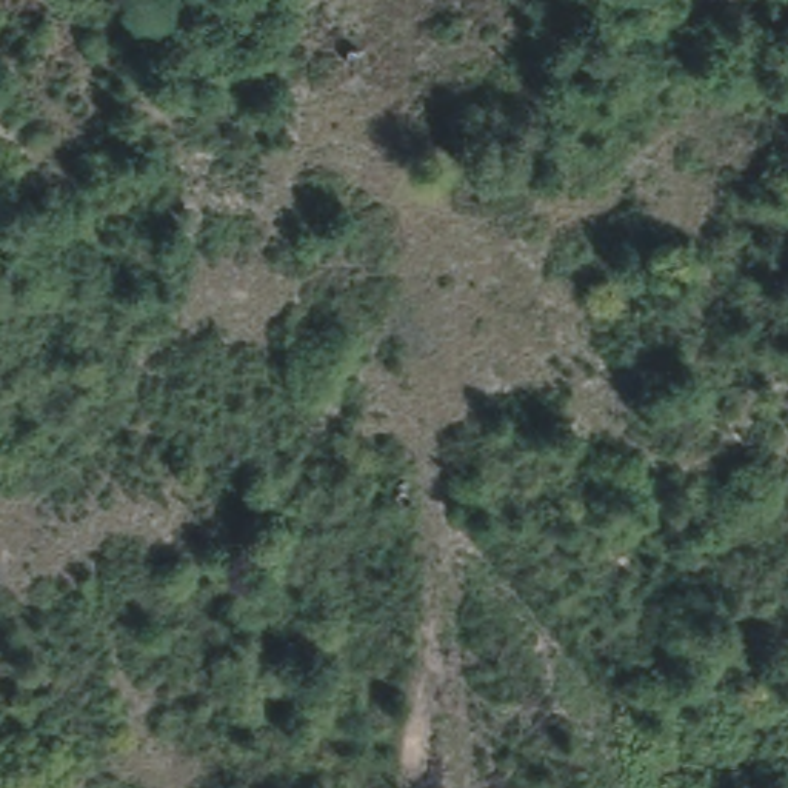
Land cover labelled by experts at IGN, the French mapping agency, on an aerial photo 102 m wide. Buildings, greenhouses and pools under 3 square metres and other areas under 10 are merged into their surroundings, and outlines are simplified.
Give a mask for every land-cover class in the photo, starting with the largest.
<instances>
[{"label":"brushwood","instance_id":"1","mask_svg":"<svg viewBox=\"0 0 788 788\"><path fill-rule=\"evenodd\" d=\"M126 6L120 0H0V237H6V231L15 222L40 215L49 197L86 188L89 175L95 172L148 169L151 151H157L154 139L126 142V120L135 114L139 102L163 89V71L172 68L185 52L169 37L129 34L123 28ZM514 34L502 58L508 65H517L520 89H514L511 95L526 108L520 111V117H505L496 108H474L471 114L459 111L452 117V126L434 135L425 148L428 157L446 151L452 160L446 166H437V172L422 185L419 200L449 197L459 175L477 179V194L489 200L526 197L542 206L576 200L585 197L594 185H603L634 154L637 145H646L649 135H656L668 123L680 126L690 114L708 111L711 105L745 108L751 114L742 132L754 142V154L748 157L745 169H720V179L714 185V206L699 231H686V246L671 249L656 262L649 255H628L622 271L609 283L591 289L594 320L603 323L588 336V342L606 360V372L631 366L643 348L668 345L690 366V379L683 385L696 379H717L726 385L717 394L711 422H680L659 428L649 419L653 406L631 409L625 431L619 437L569 434V440L542 449L529 437H520L514 425H502L499 434H493L483 446L480 477L452 483L456 508L446 514V520L465 529L474 539L477 551L468 557V563H452V569L465 579L462 600L456 609V625L443 628L437 637L440 659L459 656L462 662V677L468 683V723L480 739L471 751L480 788H628V766L637 757L646 766L659 770L677 766L680 760L677 748H656L659 717L668 711L677 690L653 683L609 690L616 671L653 665V649H668L677 640H742L745 619H773L779 609L788 613V502L776 523L779 533L770 542H739L723 554H708L693 569L680 566V545L699 542L705 533H711L720 511L730 502L757 499L770 483H788V0H514V6L508 9ZM693 486L705 489V511L699 514V520L686 523L683 529H674L677 499L686 496ZM296 185L332 191L342 203L339 225L357 222L360 243L320 259L314 268L302 262L299 246L280 252L271 268L299 280L302 302H286L268 320L265 345H231L222 339V329L212 320H203L191 332L182 326V308L172 311V317L151 314L145 320H135L129 308L135 299L123 302L108 292L99 305L83 311L28 317L22 308L25 292H12L9 283L0 280V496L12 502L49 499L52 514L58 520L83 523L86 496L95 499L102 508H111L114 493L123 489L132 502L151 499L163 508V483L169 477H179L185 483V523H200L215 514L222 493L231 489V474L249 459H255L262 480L249 489L246 502L271 514L274 533L302 536L299 573L283 585V597L277 606L259 609L246 606L243 600H234L231 594H215L209 603L203 600L191 616L163 613L160 606L169 600L163 594L166 582L160 576H151L148 569V539L111 533L99 542L95 551L83 554L77 563H68L58 576L31 579L28 606L15 600L9 588L0 585V788H145L111 773L114 760L135 751V733L126 730L129 705L108 683L111 671H126L132 686L154 690V705L145 714L151 736H157L166 745L175 742L182 757H197L206 770V776H200L188 788H440L425 773L416 776L400 763L403 730L409 717L406 690L419 665L416 631L425 622V557L412 545L425 520L431 483H425L422 471H416V459L403 452V443L394 434L366 437L354 428L366 397V388L360 385L357 372H363L369 363H382L388 372H394L400 366L403 351L397 336H385L382 323L388 299L397 289V212L369 200V191L348 185L342 172L311 166L299 172ZM317 649L332 656L329 668L345 671V686L336 696L339 720L332 736L323 739L305 757V766H299L292 760L289 742L296 733L308 726L305 702L289 699L274 674L289 671L292 677H308L314 671ZM179 231L185 237H194L197 255H203L209 265H215V259H234L237 265L262 262L271 237L262 234L252 212L188 209Z\"/></svg>","mask_w":788,"mask_h":788},{"label":"herbaceous vegetation","instance_id":"2","mask_svg":"<svg viewBox=\"0 0 788 788\"><path fill-rule=\"evenodd\" d=\"M514 6V0H292L296 22L305 28L302 40L292 46L296 68L280 71V80L289 86L296 99V111L283 126L292 142L289 148L262 157L265 179L259 200H246L225 179V172L209 163V151H175V166L185 169L182 175L188 182L182 191V203L188 209L252 212L262 234L271 237L262 262L237 265L234 259H215V265H209L203 255H197V268L182 308V326L191 332L203 320H212L222 329V339L231 345H265L268 320L286 302H302L299 280L271 268L280 252L299 246L302 240L329 234L339 225L342 203L332 191L296 185L299 172L311 166L342 172L348 185L369 191V200L397 212V289L388 299L382 323L385 336H397L403 351L400 366L394 372H388L382 363H369L363 372H357L360 385L366 388V397L354 428L366 437L394 434L403 443V452L416 459V471H422L425 483H431L425 520L412 545L425 557V622L416 631L419 665L406 690L409 717L403 730L400 763L416 776L425 773L440 788H480L471 751L480 739L468 723V683L462 677V662L459 656L440 659L437 637L443 628L456 625V609L462 600L465 579L452 569V563H468V557L477 551L474 539L465 529L446 520V514L456 508L452 483L480 477L483 446L493 434H499L502 425H514L520 437H529L542 449L569 440V434L619 437L625 431L631 409L653 406L683 385L690 379V366L668 345L643 348L631 366L606 372V360L588 342V336L603 323L594 320L591 289L609 283L622 271L628 255H649L656 262L671 249L686 246V231H699L714 206V185L720 179V169H745L748 157L754 154V142L742 132L751 114L745 108L711 105L708 111L690 114L680 126L668 123L656 135H649L646 145H637L634 154L603 185H594L585 197L576 200L542 206L526 197L489 200L477 194V179L459 175L449 197L419 200L422 185L437 172V166H446L452 160L446 151L428 157L425 148L434 135L452 126V117L459 111L471 114L474 108H496L505 117H520V111L526 108L511 95L514 89H520L517 65H508L502 58L514 34L508 9ZM262 480L255 459H249L231 474V489L222 493L215 514L200 523H185V483L179 477H169L163 483V508L151 499L132 502L123 489L114 493L111 508H102L95 499L86 496L83 523L58 520L52 514L49 499L12 502L0 496V585L9 588L15 600L28 606L31 579L58 576L68 563H77L83 554L95 551L99 542L111 533L148 539V569L151 576H160L166 582L185 566H228L240 557L268 551L274 533L271 514L246 502L249 489ZM108 683L129 705L126 730L135 733V751L114 760L111 773L145 788H188L200 776H206V770L197 757H182L175 742L166 745L157 736H151L145 714L154 705V690L132 686L126 671H111Z\"/></svg>","mask_w":788,"mask_h":788},{"label":"deciduous trees","instance_id":"3","mask_svg":"<svg viewBox=\"0 0 788 788\"><path fill-rule=\"evenodd\" d=\"M126 6L123 28L129 34L169 37L185 52L172 68L163 71V89L139 102L135 114L126 120V142L154 139L157 151H151L148 169L95 172L89 175L86 188L49 197L40 215L15 222L6 231V237H0V280L9 283L12 292H25L22 308L28 317L83 311L99 305L108 292L123 302L135 299L129 308L135 320H145L151 314L172 317V311L182 308L197 268V255L194 237H185L179 231L188 209L182 203V191L188 182L182 175L185 169L175 166V151H209V163L225 172V179L246 200H259L265 179L262 157L289 148L292 142L283 126L296 111V99L289 86L280 80V71L296 68L292 46L302 40L305 28L296 22L292 0H120ZM360 243L357 222L339 225L329 234L302 240L299 246L302 262L314 268L320 259ZM726 385L717 379H696L683 385L653 406L649 419L659 428L680 422H711L717 394ZM788 502V483H770L757 499L730 502L720 511L711 533H705L699 542L680 545V566L693 569L708 554H723L739 542H770L779 533L776 523ZM705 511V489L693 486L686 496L677 499L674 529H683L686 523L699 520V514ZM302 536L274 533L268 551L240 557L228 566H185L166 582L163 594L169 600L160 606L163 613L191 616L203 600L209 603L215 594H231L234 600H243L246 606L259 609L277 606L283 597V585L299 573ZM653 683L677 690L668 711L659 717L656 748H677L680 760L677 766L659 770L646 766L637 757L628 766V788H788V613L779 609L773 619H745L742 640H677L668 649H653V665L616 671L609 690ZM332 656L317 649L314 671L308 677H292L289 671L274 674L289 699L305 702L308 726L296 733L289 742L292 760L299 766H305V757L323 739L332 736L339 720L336 696L345 686V671L329 668Z\"/></svg>","mask_w":788,"mask_h":788}]
</instances>
